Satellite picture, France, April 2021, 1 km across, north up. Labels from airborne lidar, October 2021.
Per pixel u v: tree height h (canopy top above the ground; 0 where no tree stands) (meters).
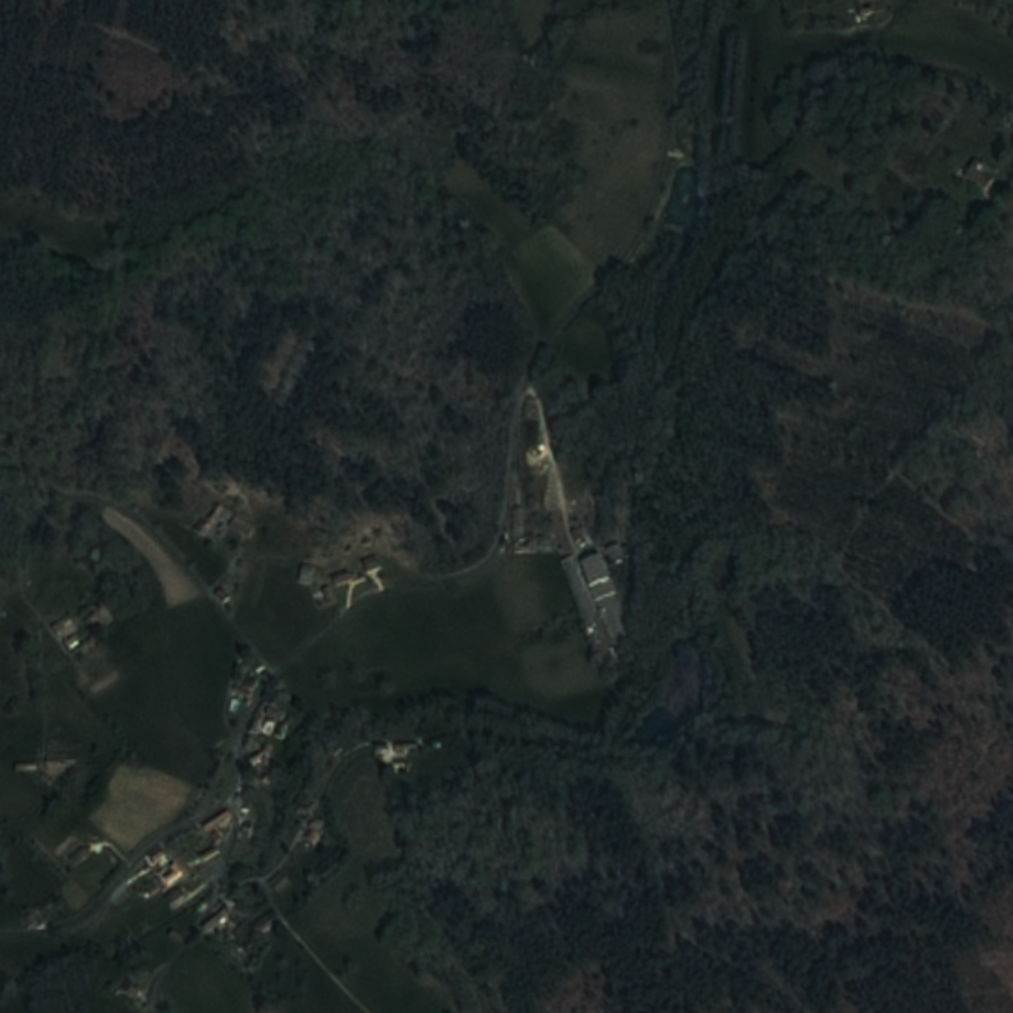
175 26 21
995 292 19
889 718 8
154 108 10
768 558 16
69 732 0
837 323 17
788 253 21
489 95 14
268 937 7
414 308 17
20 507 21
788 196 17
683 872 10
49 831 0
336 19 19
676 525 20
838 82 23
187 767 0
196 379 12
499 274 11
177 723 0
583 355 0
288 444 32
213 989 0
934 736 7
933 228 25
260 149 20
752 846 24
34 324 22
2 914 0
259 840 16
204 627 0
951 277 19
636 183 0
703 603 22
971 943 25
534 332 14
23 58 17
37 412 13
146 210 14
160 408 20
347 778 0
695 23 10
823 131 23
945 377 7
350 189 17
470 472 15
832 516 7
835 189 0
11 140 18
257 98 18
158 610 0
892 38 0
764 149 0
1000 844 23
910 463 23
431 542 19
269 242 17
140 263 17
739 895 16
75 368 8
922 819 14
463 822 15
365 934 0
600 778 18
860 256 26
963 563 6
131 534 0
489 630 0
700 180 20
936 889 12
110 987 7
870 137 24
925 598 21
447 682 0
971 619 23
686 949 12
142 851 0
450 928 9
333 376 27
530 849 19
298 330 27
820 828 21
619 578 14
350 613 0
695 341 14
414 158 13
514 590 0
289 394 15
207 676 0
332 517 19
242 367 17
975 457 20
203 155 16
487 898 12
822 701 26
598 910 24
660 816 10
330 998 0
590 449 22
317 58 18
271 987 8
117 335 7
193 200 18
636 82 0
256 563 0
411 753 7
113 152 17
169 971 0
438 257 17
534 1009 19
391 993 0
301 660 0
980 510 17
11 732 0
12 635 0
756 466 23
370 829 0
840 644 24
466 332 10
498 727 0
